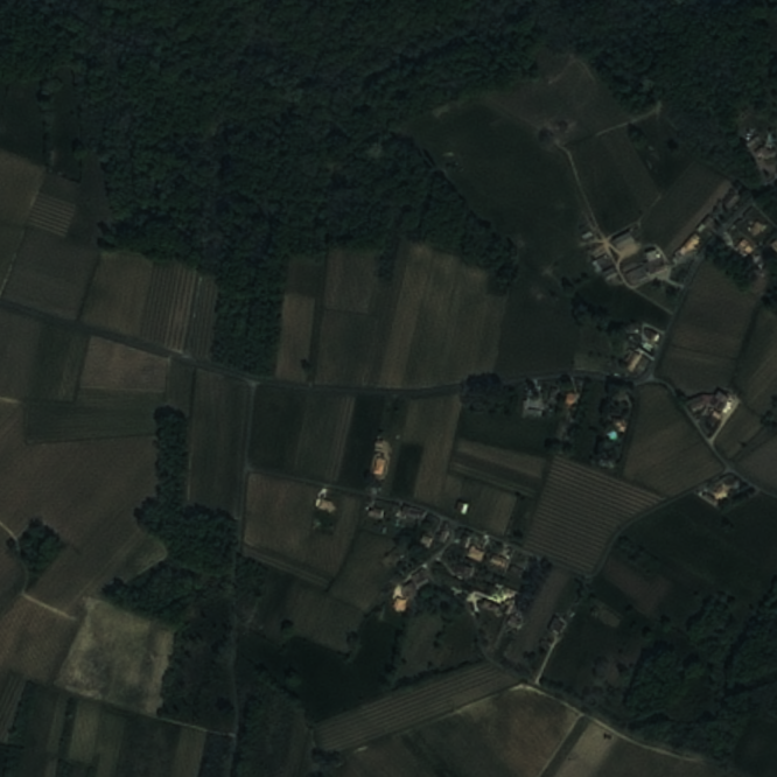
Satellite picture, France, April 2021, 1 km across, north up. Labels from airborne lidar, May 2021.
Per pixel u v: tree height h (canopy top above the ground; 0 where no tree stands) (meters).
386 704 0
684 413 0
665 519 0
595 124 0
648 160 0
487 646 12
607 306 0
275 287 21
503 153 0
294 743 0
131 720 0
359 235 21
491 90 17
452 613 17
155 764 0
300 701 16
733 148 14
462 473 0
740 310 0
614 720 13
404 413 0
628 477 0
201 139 22
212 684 16
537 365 0
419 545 12
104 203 0
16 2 28
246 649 0
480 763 0
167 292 0
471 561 6
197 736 0
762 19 19
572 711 0
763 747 0
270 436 0
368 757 0
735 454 0
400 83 23
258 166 21
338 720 0
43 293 0
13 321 0
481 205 0
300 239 22
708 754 11
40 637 0
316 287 0
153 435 0
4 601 0
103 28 12
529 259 0
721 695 8
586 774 0
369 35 23
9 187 0
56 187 0
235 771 8
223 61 25
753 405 0
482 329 0
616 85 19
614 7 18
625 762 0
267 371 13
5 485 0
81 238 0
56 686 0
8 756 6
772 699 16
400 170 21
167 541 17
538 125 0
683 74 19
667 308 0
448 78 15
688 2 23
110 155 21
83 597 0
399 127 23
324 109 24
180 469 15
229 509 0
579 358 0
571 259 0
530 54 24
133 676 0
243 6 19
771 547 0
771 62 15
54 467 0
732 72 22
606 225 0
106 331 0
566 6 24
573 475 0
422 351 0
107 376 0
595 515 0
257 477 0
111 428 0
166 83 20
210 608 6
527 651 0
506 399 11
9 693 0
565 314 0
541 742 0
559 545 0
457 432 0
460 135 0
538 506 0
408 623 9
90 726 0
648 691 21
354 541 0
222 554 24
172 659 9
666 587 0
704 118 10
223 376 0
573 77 0
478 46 27
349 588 0
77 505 0
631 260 0
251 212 24
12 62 27
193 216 18
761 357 0
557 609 0
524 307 0
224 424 0
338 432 0
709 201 0
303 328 0
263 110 15
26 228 0
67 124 0
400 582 19
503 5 27
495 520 0
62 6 18
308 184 23
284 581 0
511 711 0
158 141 18
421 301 0
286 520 0
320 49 25
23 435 0
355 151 17
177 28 16
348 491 0
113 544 0
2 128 0
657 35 28
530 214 0
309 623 0
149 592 10
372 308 0
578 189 0
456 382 0
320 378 0
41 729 0
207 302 0
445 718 0
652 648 0
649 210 0
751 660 17
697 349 0
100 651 0
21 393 0
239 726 9
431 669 6
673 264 0
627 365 10
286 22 22
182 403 0
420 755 0
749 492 7
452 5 26
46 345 0
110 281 0
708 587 0
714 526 0
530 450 0
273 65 31
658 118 0
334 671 0
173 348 0
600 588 0
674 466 0
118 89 13
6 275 0
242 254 27
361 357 0
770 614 11
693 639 11
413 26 20
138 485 0
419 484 0
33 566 11
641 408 0
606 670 17
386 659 0
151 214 19
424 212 21
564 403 14
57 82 21
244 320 13
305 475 0
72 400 0
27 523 0
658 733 18
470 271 0
